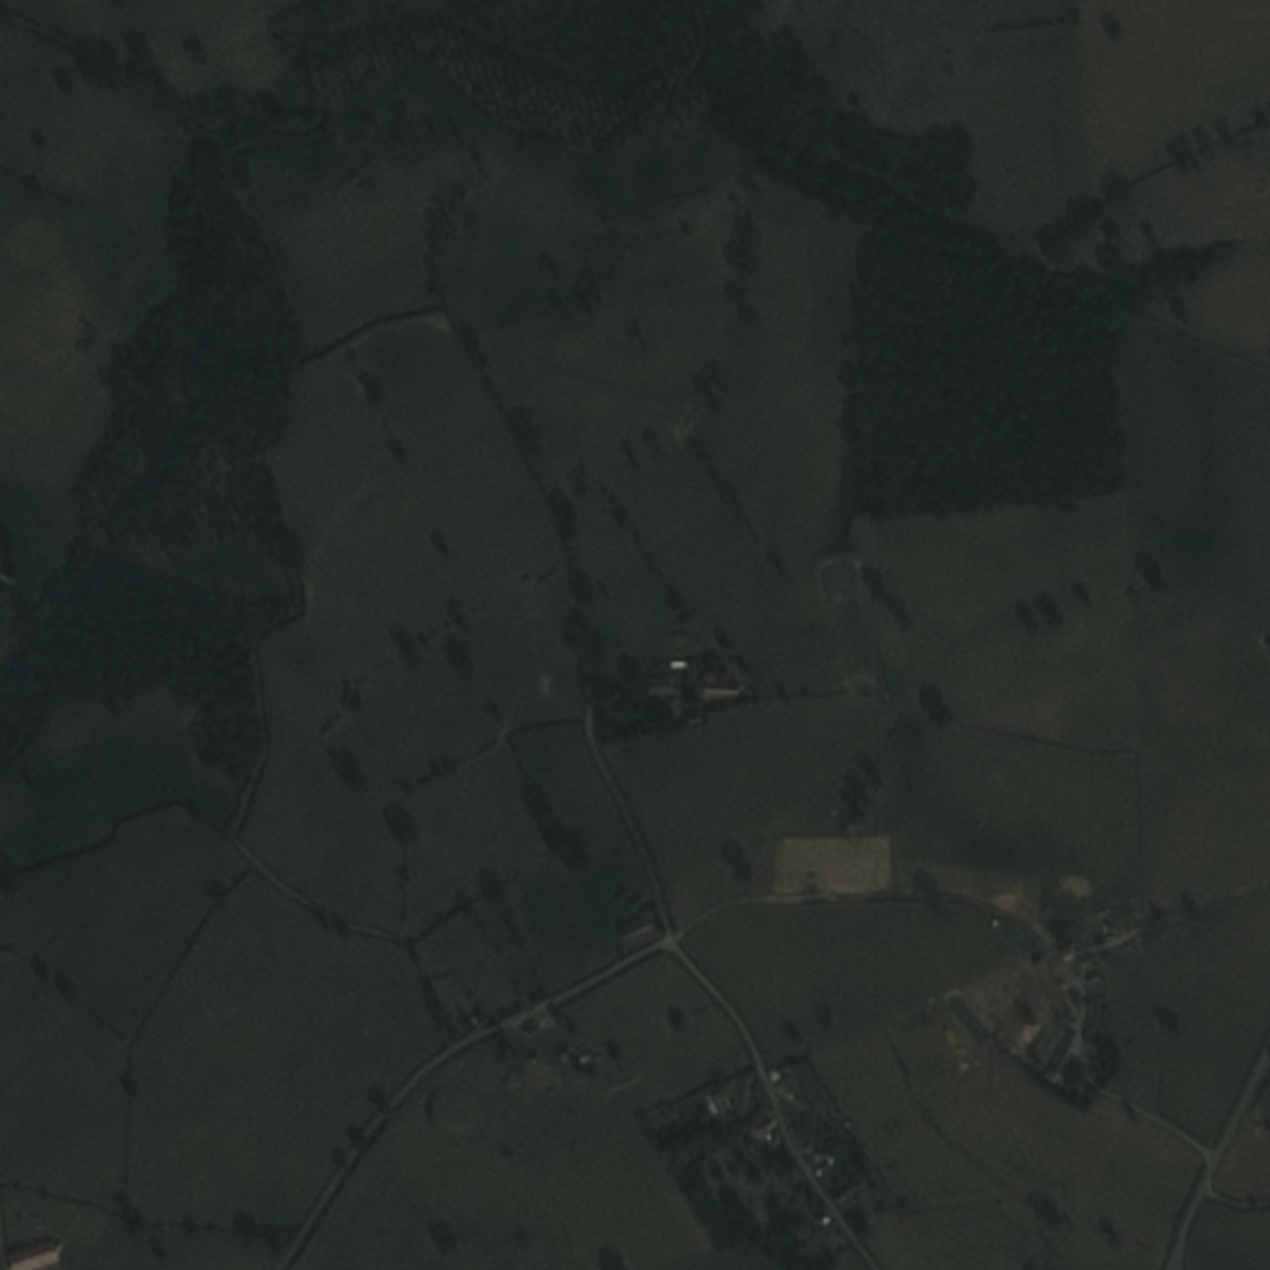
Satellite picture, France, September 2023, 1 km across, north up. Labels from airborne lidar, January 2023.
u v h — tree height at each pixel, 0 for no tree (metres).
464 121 0
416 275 0
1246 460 0
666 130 25
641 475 0
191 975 0
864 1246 0
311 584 0
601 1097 0
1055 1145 0
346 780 20
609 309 0
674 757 0
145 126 0
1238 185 0
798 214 0
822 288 0
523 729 0
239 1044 0
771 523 0
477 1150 0
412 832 19
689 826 0
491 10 22
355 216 0
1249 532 0
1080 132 0
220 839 0
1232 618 0
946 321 17
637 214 0
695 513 0
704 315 0
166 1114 0
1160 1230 0
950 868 0
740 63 21
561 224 0
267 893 0
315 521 0
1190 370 0
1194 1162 0
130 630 23
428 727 0
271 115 17
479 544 0
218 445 16
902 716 0
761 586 0
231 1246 0
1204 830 0
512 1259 0
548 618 0
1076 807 0
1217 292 0
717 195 0
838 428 8
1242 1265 0
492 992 0
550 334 0
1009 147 0
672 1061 0
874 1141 0
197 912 0
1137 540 0
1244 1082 0
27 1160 0
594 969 0
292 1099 0
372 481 0
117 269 0
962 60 0
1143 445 0
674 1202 0
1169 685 0
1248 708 0
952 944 0
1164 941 0
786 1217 15
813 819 0
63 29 0
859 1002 0
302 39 20
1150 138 0
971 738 0
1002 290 23
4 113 0
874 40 0
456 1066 0
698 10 19
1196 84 0
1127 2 0
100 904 0
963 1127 0
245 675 7
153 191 0
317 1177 0
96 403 0
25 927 0
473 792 0
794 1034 13
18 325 0
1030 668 0
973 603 0
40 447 0
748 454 0
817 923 0
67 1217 0
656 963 0
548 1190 0
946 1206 0
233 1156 0
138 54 20
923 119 0
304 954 0
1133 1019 0
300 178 0
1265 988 0
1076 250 0
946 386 17
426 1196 0
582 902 0
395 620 0
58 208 0
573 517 17
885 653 0
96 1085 0
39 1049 0
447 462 0
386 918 0
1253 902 0
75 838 0
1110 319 17
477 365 14
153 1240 0
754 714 0
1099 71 0
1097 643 0
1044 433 19
